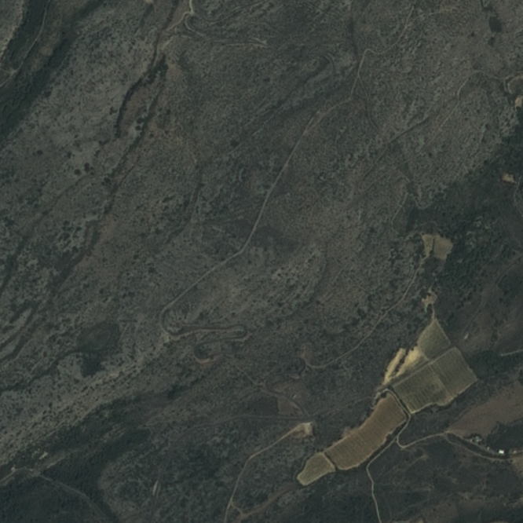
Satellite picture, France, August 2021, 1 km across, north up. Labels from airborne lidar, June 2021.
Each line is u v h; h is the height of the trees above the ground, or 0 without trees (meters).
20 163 0
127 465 0
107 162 0
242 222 0
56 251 0
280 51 0
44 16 9
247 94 0
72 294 0
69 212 0
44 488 0
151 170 0
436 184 0
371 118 0
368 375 0
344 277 0
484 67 0
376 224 0
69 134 0
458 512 0
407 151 0
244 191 0
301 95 0
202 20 0
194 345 0
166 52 0
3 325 0
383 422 0
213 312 0
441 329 0
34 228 0
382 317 0
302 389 0
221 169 0
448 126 0
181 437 0
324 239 0
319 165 0
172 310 0
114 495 0
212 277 0
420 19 0
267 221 0
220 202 0
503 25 0
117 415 8
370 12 0
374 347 0
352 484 0
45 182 0
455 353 0
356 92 0
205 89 0
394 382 0
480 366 0
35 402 0
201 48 0
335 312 0
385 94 0
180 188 0
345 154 0
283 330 0
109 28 0
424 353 0
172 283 0
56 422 7
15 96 8
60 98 0
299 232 0
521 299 0
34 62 0
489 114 0
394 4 0
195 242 0
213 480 0
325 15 0
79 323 0
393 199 0
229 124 0
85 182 0
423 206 0
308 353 0
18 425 0
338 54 0
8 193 0
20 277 0
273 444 0
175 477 0
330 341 0
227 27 0
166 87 0
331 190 0
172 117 0
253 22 0
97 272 0
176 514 0
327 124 0
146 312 0
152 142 0
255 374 0
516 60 0
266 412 0
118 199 0
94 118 0
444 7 0
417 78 0
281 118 0
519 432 0
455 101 0
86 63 0
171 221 0
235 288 0
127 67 0
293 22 0
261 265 0
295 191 0
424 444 0
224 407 0
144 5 0
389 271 0
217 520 0
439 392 0
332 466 0
